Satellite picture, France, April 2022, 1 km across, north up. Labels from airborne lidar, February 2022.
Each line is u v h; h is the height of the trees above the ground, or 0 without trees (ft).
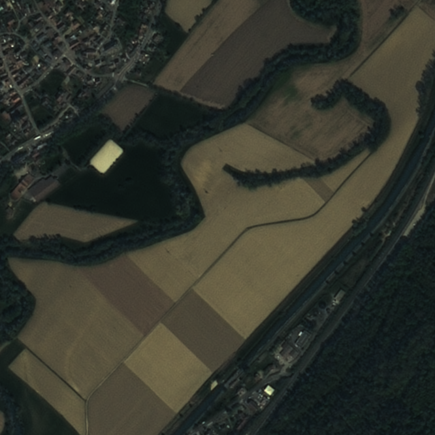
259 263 0
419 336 103
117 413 0
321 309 0
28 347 0
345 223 0
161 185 0
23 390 0
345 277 0
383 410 81
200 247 0
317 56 62
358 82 0
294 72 0
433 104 0
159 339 0
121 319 0
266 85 36
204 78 0
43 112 0
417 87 0
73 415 0
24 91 0
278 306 0
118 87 37
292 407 27
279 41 0
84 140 0
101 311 0
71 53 0
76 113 0
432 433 61
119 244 63
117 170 0
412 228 0
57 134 58
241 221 0
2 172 73
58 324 0
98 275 0
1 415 0
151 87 46
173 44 0
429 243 32
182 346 0
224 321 0
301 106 0
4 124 0
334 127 0
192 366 0
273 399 0
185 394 0
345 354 84
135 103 0
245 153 0
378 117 65
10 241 50
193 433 0
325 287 0
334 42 47
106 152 0
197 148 0
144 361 0
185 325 0
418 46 0
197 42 0
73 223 0
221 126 50
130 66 0
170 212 0
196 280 0
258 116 0
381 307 87
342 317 0
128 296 0
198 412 0
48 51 0
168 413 0
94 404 0
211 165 0
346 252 0
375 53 0
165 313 0
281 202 0
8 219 0
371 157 0
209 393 0
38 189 0
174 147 54
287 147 0
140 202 0
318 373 81
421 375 74
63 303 0
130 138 67
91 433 0
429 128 0
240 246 0
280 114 0
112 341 0
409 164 0
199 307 0
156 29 23
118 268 0
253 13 0
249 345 0
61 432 0
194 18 0
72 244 0
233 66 0
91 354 0
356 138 0
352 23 42
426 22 0
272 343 0
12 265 0
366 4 0
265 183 62
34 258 0
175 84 0
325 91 0
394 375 101
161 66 0
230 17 0
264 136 0
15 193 0
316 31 0
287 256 0
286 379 26
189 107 0
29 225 0
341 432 31
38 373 0
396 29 0
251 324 0
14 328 68
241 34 0
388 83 0
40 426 0
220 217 0
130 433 0
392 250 0
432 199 0
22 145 0
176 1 0
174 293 0
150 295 0
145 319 0
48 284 0
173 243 0
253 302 0
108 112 0
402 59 0
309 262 0
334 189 0
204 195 0
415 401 71
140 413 0
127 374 0
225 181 0
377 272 0
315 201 0
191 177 0
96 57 0
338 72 0
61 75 0
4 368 0
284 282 0
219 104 0
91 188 0
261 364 0
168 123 0
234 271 0
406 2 0
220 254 0
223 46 0
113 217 0
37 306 0
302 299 0
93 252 65
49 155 50
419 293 61
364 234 0
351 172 0
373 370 97
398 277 75
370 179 0
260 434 0
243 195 0
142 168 0
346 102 0
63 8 0
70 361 0
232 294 0
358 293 0
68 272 0
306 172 68
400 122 0
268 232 0
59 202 0
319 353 0
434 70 70
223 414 0
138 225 0
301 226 0
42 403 0
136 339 0
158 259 0
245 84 0
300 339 0
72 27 0
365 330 53
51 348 0
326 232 0
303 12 57
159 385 0
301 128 0
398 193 0
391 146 0
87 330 0
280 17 0
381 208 0
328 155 0
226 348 0
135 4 46
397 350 84
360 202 0
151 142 89
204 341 0
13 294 48
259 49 0
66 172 0
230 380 0
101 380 0
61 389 0
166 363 0
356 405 95
